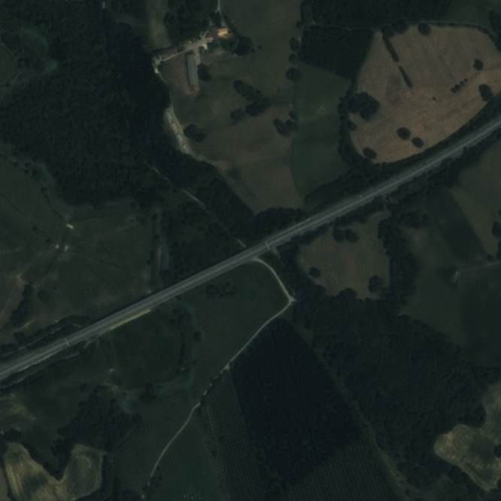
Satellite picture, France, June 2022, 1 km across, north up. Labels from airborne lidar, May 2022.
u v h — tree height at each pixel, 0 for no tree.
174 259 7
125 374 0
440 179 14
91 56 16
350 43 21
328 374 12
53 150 12
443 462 14
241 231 23
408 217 19
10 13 14
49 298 12
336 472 8
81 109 20
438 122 0
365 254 0
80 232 0
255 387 21
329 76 0
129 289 0
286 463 20
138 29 0
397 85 0
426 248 0
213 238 6
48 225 0
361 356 21
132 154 9
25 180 0
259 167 0
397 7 19
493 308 0
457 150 0
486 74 0
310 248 0
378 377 12
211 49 0
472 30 0
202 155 0
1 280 0
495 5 0
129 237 0
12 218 0
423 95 0
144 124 25
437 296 0
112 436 19
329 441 16
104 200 9
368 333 17
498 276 0
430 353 20
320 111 0
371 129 0
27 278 0
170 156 27
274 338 25
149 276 0
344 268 0
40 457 17
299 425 23
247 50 18
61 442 21
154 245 0
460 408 21
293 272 22
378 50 0
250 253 0
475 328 0
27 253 0
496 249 0
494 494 23
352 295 24
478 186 0
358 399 20
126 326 0
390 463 0
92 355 7
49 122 9
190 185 26
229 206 22
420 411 13
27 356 0
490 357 0
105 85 12
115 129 12
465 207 0
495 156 0
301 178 0
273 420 21
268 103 22
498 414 0
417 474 25
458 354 21
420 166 0
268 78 0
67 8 7
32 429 0
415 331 11
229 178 0
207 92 0
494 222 0
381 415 26
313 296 26
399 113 0
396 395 19
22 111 11
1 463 11
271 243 0
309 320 24
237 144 0
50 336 9
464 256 0
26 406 0
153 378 0
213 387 13
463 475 16
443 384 8
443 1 15
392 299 17
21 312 22
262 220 23
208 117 0
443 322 0
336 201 6
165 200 11
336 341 15
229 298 23
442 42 0
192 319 12
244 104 0
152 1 0
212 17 10
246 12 0
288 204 0
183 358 13
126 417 25
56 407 0
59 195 7
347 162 9
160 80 14
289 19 0
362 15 17
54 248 0
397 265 19
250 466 9
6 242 0
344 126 10
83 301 0
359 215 14
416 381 16
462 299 0
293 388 25
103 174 11
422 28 17
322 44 22
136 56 20
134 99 19
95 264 0
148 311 0
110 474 23
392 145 0
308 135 0
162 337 0
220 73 0
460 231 0
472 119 7
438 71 0
